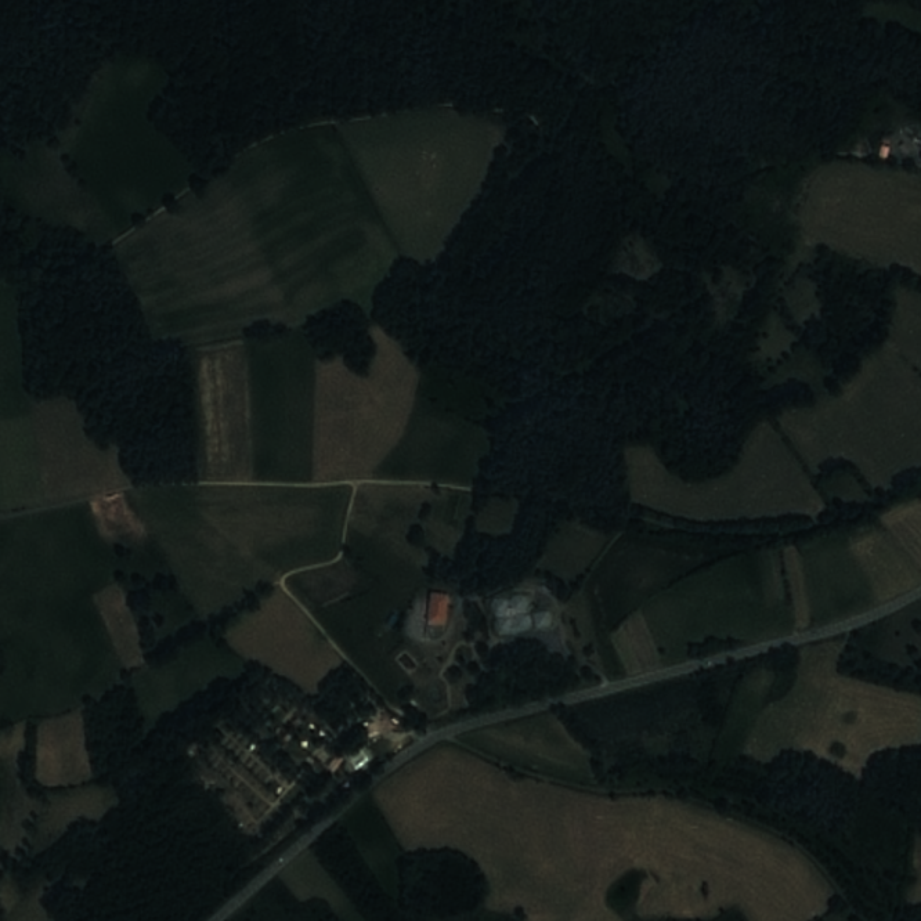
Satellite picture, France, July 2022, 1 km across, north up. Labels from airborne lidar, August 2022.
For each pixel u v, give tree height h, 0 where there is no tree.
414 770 0
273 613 0
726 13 19
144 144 0
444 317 19
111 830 10
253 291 0
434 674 0
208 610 0
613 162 12
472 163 0
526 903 0
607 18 20
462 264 17
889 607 0
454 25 24
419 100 17
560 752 0
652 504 0
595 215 15
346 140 0
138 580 15
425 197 0
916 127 0
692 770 11
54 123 13
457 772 0
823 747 0
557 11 22
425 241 0
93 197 0
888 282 19
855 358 13
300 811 7
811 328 15
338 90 19
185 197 0
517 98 12
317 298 0
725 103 22
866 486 10
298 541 0
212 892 7
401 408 0
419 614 0
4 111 20
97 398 20
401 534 0
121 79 0
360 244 0
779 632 0
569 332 23
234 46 28
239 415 0
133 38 22
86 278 21
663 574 0
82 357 22
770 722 0
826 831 20
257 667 17
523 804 0
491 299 23
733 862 0
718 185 18
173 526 0
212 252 0
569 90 19
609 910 0
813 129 27
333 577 0
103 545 0
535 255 17
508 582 15
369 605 0
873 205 0
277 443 0
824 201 0
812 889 0
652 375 23
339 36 16
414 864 20
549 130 16
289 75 19
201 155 19
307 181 0
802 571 0
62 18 11
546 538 17
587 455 24
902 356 0
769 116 25
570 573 0
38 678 0
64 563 0
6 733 17
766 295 9
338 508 0
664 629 0
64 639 0
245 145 14
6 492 0
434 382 0
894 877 16
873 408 0
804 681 0
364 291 0
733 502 0
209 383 0
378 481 0
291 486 0
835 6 20
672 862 0
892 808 10
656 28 22
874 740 0
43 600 0
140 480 23
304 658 0
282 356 0
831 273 12
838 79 23
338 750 15
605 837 0
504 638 0
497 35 17
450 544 0
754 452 0
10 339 0
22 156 22
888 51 26
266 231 0
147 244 0
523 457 24
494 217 21
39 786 6
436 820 0
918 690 7
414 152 0
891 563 0
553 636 0
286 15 22
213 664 0
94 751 11
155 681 0
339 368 0
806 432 0
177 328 0
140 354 26
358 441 0
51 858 10
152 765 16
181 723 29
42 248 10
